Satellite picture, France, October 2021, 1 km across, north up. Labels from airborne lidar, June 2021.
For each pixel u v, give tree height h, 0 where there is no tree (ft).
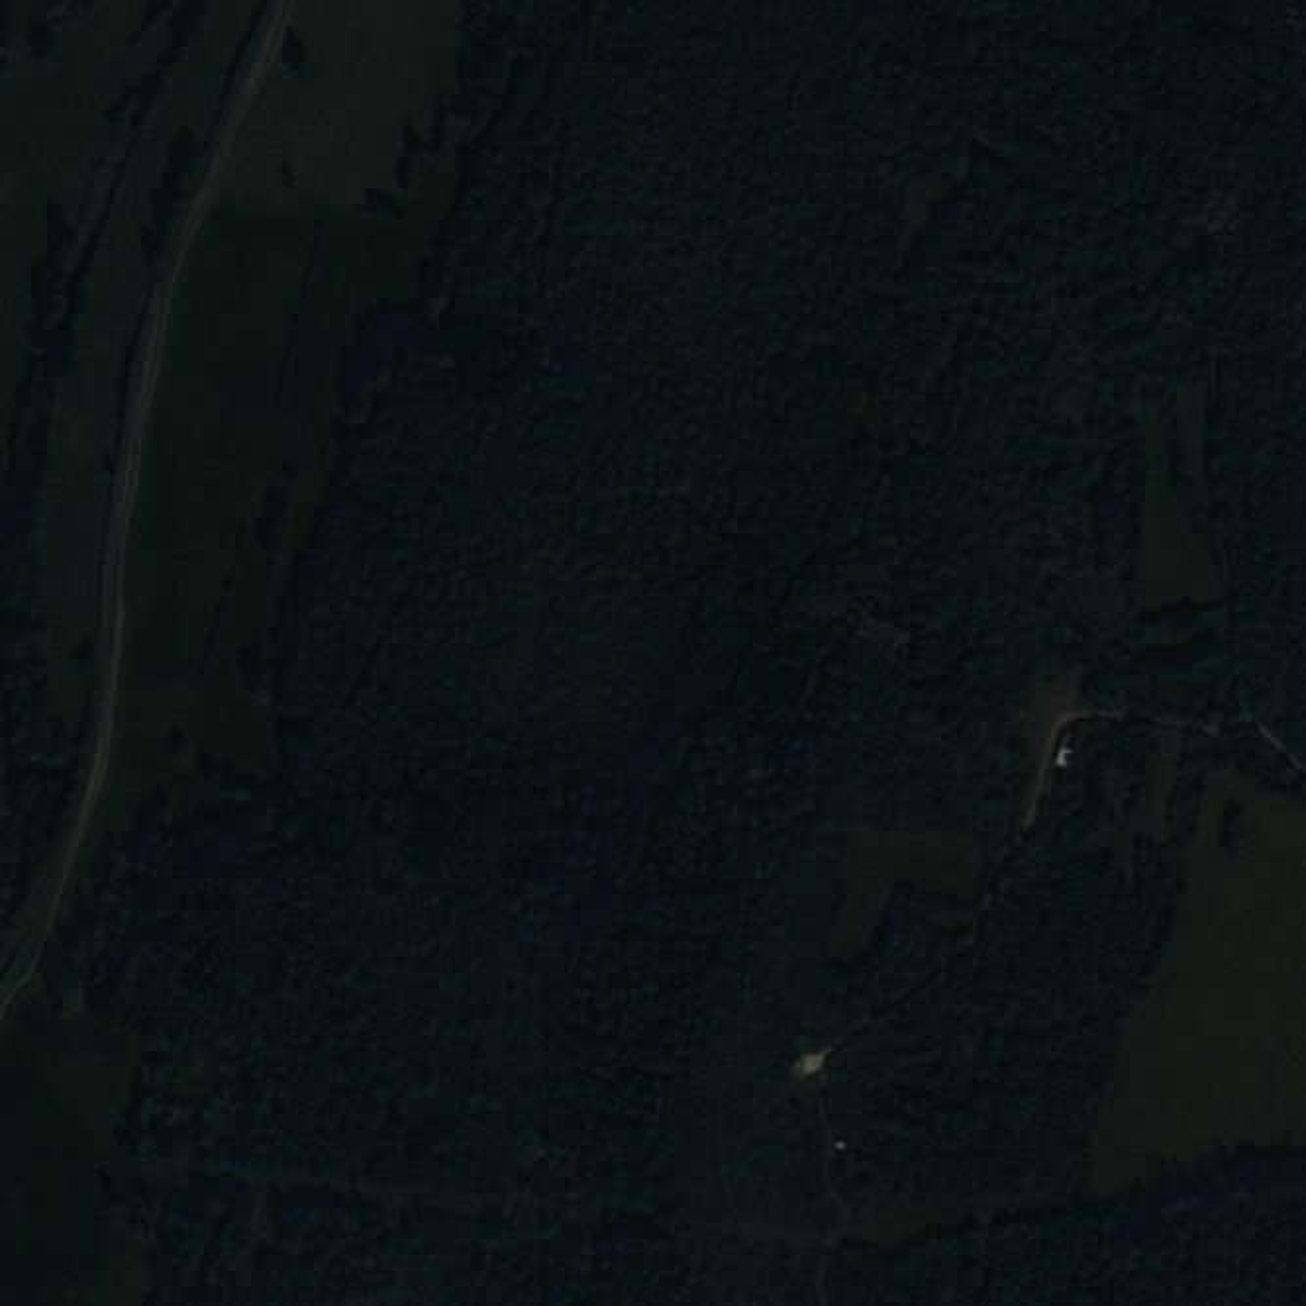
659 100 25
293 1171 44
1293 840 0
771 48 46
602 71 38
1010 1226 30
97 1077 0
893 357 59
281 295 0
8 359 0
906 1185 17
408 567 34
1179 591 0
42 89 0
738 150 32
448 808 75
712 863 50
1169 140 55
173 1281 48
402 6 0
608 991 51
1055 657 31
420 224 0
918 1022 23
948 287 58
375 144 0
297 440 0
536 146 40
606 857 33
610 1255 17
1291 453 45
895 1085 20
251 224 0
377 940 19
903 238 47
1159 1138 0
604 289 32
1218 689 39
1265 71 59
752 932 21
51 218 0
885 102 23
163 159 0
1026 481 46
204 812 0
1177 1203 81
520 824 55
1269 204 34
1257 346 47
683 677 34
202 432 0
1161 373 24
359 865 58
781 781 59
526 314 54
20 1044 0
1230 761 27
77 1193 0
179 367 0
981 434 25
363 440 60
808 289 40
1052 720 0
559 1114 50
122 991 72
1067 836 28
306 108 0
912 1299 57
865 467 58
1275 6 31
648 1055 71
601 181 29
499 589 28
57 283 46
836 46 26
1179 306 54
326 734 71
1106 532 50
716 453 34
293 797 53
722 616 44
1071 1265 45
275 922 62
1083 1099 54
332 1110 48
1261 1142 0
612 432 58
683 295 21
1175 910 31
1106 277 23
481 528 38
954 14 36
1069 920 59
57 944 0
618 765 36
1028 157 53
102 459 0
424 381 65
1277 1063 0
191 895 75
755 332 31
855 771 23
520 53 79
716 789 28
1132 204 28
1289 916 0
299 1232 64
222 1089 18
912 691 59
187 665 0
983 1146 34
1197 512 25
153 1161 23
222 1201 40
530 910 26
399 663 31
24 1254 0
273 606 0
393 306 0
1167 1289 75
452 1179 23
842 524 58
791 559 58
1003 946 22
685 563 25
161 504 0
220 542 0
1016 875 38
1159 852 20
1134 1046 0
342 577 64
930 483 57
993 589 20
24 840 42
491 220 34
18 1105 0
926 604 44
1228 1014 0
